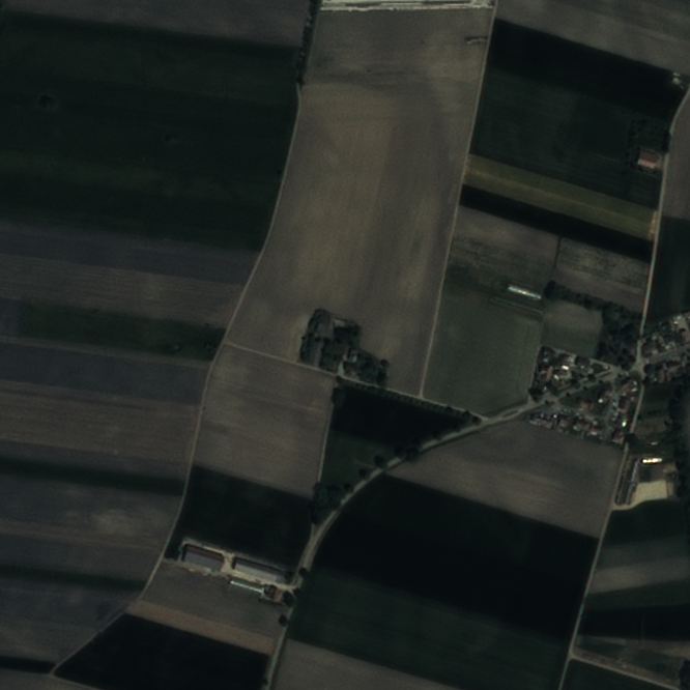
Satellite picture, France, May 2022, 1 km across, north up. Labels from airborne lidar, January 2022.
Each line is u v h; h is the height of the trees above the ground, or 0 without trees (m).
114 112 0
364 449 0
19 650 0
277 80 0
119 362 0
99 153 0
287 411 0
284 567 0
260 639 0
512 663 0
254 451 0
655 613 0
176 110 0
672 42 0
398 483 0
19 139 0
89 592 0
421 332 0
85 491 0
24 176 0
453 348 0
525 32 0
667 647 0
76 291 0
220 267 0
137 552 0
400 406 0
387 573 0
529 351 0
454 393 0
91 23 0
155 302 0
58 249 0
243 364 0
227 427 0
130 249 0
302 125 0
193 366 0
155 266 0
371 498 0
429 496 0
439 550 0
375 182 0
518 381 0
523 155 0
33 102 0
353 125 0
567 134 0
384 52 0
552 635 0
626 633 0
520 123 0
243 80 0
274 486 0
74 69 0
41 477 0
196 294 0
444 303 0
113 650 0
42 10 0
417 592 0
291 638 0
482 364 0
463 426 0
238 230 0
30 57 0
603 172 0
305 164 0
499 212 0
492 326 0
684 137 0
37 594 0
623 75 0
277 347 0
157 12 0
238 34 0
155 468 0
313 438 0
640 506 0
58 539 0
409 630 0
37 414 0
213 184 0
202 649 0
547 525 0
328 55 0
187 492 0
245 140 0
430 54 0
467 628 0
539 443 0
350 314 0
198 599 0
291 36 0
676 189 0
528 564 0
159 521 0
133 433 0
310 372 0
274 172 0
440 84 0
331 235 0
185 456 0
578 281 0
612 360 0
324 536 0
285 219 0
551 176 0
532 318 0
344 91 0
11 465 0
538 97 0
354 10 0
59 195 0
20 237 0
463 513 0
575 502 0
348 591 0
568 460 0
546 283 0
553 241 0
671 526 0
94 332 0
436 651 0
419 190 0
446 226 0
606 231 0
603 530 0
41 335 0
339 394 13
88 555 0
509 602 0
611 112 0
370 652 0
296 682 0
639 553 0
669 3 0
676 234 0
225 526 0
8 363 0
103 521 0
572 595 0
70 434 0
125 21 0
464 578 0
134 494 0
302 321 0
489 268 0
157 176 0
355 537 0
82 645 0
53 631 0
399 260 0
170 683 0
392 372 0
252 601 0
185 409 0
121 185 0
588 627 0
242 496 0
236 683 0
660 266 0
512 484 0
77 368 0
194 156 0
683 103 0
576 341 0
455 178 0
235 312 0
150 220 0
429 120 0
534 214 0
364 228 0
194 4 0
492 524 0
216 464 0
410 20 0
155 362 0
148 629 0
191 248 0
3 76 0
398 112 0
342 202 0
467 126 0
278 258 0
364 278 0
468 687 0
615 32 0
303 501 0
